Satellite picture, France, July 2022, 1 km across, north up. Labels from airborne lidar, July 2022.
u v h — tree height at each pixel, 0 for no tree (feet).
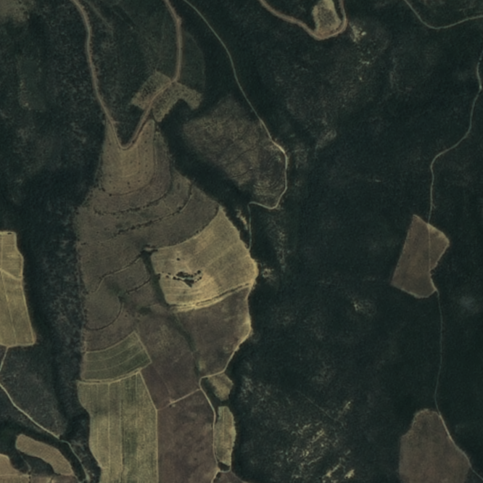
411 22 21
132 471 0
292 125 21
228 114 0
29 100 0
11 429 28
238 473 28
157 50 0
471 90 28
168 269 0
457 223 18
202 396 0
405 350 19
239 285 0
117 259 0
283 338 19
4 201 23
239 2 18
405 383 17
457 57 29
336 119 21
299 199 19
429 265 0
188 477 0
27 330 0
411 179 18
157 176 0
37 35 24
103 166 0
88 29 0
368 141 20
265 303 21
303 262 19
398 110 18
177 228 0
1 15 0
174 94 0
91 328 0
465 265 21
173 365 0
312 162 22
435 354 20
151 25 0
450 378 18
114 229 0
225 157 0
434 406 18
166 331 0
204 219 0
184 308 0
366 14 21
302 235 18
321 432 0
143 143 0
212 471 0
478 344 18
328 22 0
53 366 22
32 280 21
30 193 21
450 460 0
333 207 19
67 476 0
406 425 18
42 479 0
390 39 21
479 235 19
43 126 18
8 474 0
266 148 0
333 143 22
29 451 0
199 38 19
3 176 34
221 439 0
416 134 18
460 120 20
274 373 19
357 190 17
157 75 0
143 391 0
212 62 18
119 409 0
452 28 19
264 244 22
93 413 0
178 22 0
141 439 0
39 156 21
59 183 22
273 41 20
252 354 23
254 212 20
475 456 17
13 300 0
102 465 0
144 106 0
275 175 0
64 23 19
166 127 22
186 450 0
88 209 0
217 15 20
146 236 0
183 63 0
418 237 0
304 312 17
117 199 0
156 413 0
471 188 20
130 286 0
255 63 27
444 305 18
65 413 19
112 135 0
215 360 0
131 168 0
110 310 0
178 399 0
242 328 0
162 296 0
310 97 17
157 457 0
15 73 20
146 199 0
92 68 0
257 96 24
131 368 0
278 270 22
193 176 25
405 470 0
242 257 0
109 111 0
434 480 0
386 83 23
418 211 18
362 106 22
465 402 19
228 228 0
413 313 17
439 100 27
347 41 25
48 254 19
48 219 19
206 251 0
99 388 0
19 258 0
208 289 0
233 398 50
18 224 18
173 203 0
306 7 18
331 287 28
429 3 0
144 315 0
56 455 0
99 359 0
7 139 18
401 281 0
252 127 0
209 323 0
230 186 29
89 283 0
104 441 0
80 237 0
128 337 0
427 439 0
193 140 0
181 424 0
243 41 28
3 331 0
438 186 18
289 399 17
